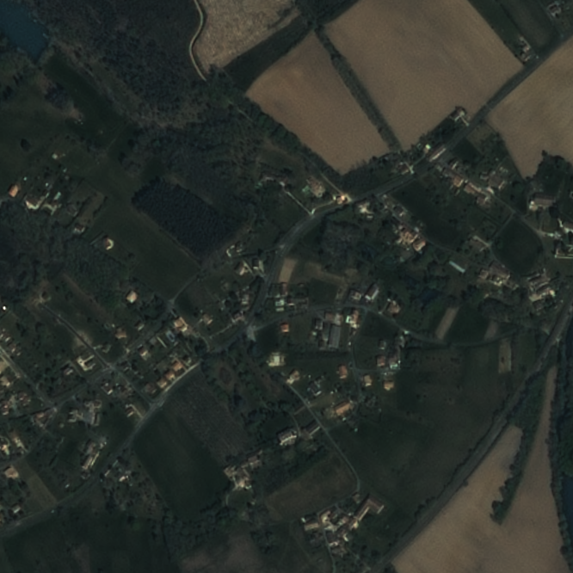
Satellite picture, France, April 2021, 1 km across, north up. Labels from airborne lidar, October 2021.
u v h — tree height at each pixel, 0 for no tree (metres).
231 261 14
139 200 19
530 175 0
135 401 5
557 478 11
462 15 0
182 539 17
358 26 0
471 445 0
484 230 6
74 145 8
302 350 7
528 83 0
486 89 0
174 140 21
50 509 0
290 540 0
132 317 10
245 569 0
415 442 0
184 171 22
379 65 0
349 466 0
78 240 13
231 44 0
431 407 0
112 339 7
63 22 23
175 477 0
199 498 0
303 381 0
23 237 21
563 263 0
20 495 16
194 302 0
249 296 6
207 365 22
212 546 0
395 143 21
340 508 6
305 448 20
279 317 0
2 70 29
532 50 0
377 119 21
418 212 0
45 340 12
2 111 18
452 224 10
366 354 0
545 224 15
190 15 12
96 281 25
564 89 0
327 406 0
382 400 0
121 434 0
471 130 0
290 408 14
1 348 0
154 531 12
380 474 0
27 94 0
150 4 7
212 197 22
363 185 14
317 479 0
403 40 0
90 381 0
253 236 8
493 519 12
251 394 12
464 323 0
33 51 0
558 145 0
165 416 0
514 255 0
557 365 11
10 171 0
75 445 0
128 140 0
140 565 0
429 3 0
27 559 0
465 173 8
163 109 12
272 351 0
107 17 24
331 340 0
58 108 23
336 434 0
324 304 0
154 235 0
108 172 0
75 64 27
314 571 0
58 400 0
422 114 0
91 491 0
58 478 10
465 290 0
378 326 0
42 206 0
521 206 0
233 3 0
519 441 0
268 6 0
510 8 0
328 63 0
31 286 14
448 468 0
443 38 0
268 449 10
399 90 0
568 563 16
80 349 0
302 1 21
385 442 0
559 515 9
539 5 0
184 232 19
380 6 0
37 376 6
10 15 0
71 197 17
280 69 0
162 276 0
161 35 17
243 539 0
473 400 0
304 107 0
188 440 0
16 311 16
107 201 8
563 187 0
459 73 0
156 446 0
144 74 22
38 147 0
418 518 13
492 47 0
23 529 0
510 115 0
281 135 22
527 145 0
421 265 21
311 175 17
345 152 0
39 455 9
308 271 0
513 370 10
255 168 16
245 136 18
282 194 11
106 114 0
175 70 21
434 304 19
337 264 11
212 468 0
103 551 0
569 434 32
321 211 0
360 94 20
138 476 11
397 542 8
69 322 0
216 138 21
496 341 0
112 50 29
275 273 0
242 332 0
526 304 19
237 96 25
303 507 0
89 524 0
